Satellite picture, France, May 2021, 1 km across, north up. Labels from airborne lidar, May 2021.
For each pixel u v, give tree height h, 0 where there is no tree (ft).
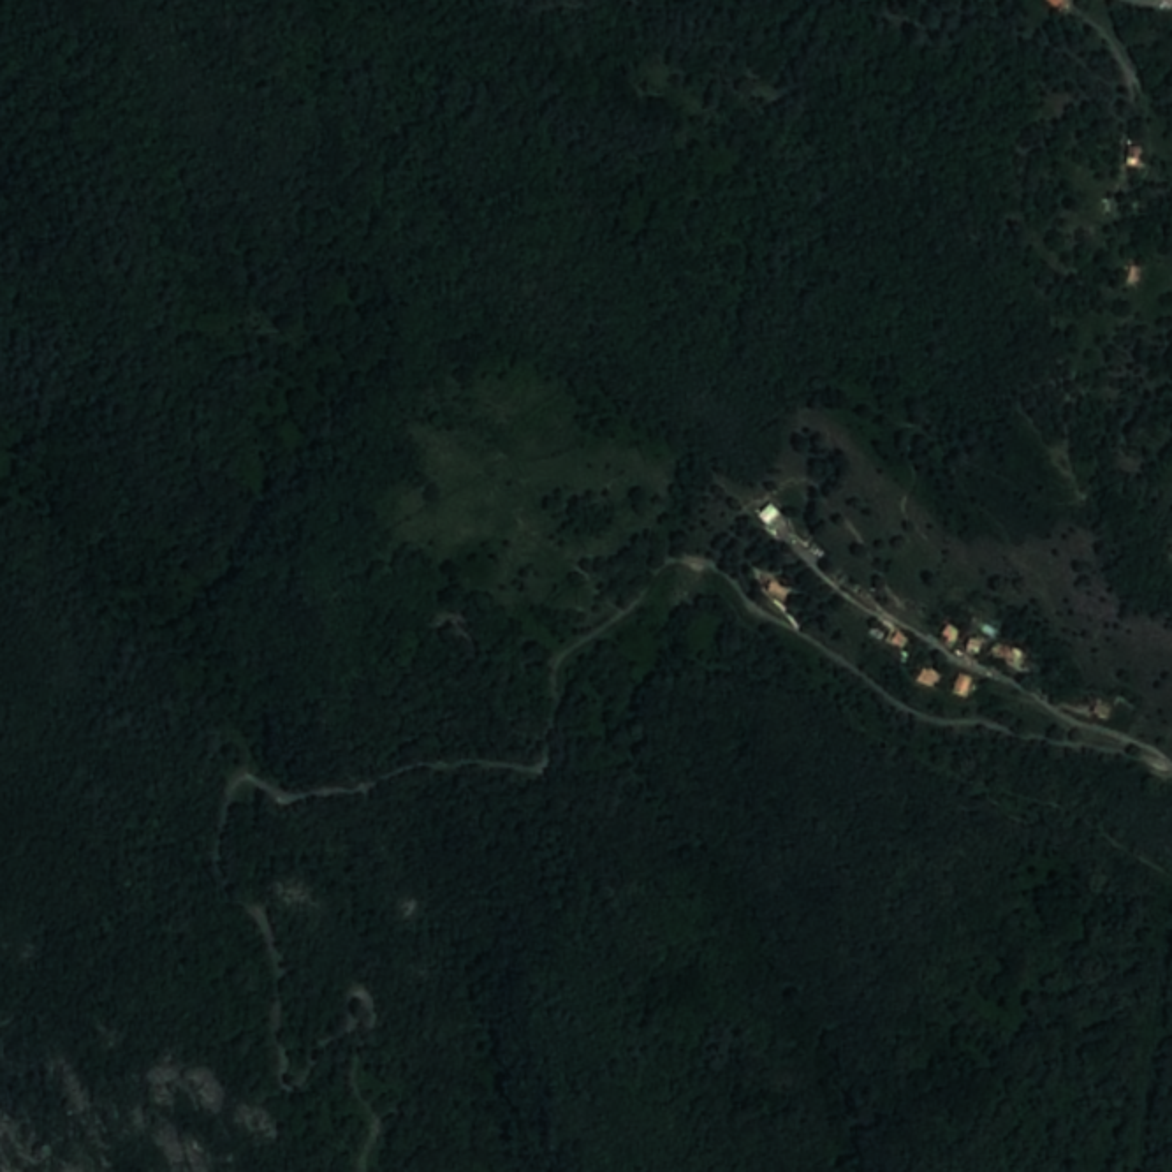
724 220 54
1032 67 46
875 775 49
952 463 35
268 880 47
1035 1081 44
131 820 44
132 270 69
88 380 53
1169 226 44
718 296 47
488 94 36
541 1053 26
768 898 62
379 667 49
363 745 47
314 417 84
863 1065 72
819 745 41
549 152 44
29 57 59
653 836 68
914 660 23
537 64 32
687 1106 51
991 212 55
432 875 68
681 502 41
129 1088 25
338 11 30
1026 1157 39
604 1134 22
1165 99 53
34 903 37
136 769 47
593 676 41
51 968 47
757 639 23
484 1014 85
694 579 0
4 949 37
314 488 75
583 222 25
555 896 63
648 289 41
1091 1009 54
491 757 57
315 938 26
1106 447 45
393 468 46
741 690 54
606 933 24
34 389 72
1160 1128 36
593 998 28
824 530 43
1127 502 57
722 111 38
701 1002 55
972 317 35
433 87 23
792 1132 52
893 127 24
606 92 65
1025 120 38
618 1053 44
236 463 59
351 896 71
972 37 46
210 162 29
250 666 67
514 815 54
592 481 0
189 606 42
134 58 35
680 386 26
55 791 36
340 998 52
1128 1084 58
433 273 31
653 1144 25
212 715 59
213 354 55
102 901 48
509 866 55
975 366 52
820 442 53
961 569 0
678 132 83
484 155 33
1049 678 53
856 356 50
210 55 38
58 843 43
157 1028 42
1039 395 30
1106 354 26
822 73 35
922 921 50
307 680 49
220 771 38
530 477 0
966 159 42
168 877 50
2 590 61
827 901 70
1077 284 43
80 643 35
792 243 35
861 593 0
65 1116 26
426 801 56
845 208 40
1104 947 46
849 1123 102
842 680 33
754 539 53
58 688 23
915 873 39
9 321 67
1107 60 67
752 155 44
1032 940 51
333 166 58
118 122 43
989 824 77
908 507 0
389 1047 64
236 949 32
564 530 29
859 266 51
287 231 30
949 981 54
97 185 38
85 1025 42
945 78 56
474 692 36
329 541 53
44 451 57
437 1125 67
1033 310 48
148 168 50
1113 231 34
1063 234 65
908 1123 75
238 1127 33
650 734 58
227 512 66
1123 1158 36
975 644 0
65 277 54
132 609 75
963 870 49
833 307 38
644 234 39
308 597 24
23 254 57
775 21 23
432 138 29
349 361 57
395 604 31
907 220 35
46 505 69
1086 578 28
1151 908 69
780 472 34
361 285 82
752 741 78
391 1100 28
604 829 55
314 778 39
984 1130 41
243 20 48
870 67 66
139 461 24
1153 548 52
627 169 64
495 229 36
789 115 74
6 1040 20
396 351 56
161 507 36
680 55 58
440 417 33
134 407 38
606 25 40
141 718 36
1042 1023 48
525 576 36
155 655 60
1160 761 0
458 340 50
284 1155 39
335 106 33
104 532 59
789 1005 86
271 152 25
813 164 43
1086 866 78
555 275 43
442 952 37
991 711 28
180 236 56
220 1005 43
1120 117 31
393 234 41
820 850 54
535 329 40
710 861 110
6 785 51
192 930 39
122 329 51
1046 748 33
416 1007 42
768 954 77
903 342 59
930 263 33
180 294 61
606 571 42
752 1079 68
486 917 63
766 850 61
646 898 51
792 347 42
